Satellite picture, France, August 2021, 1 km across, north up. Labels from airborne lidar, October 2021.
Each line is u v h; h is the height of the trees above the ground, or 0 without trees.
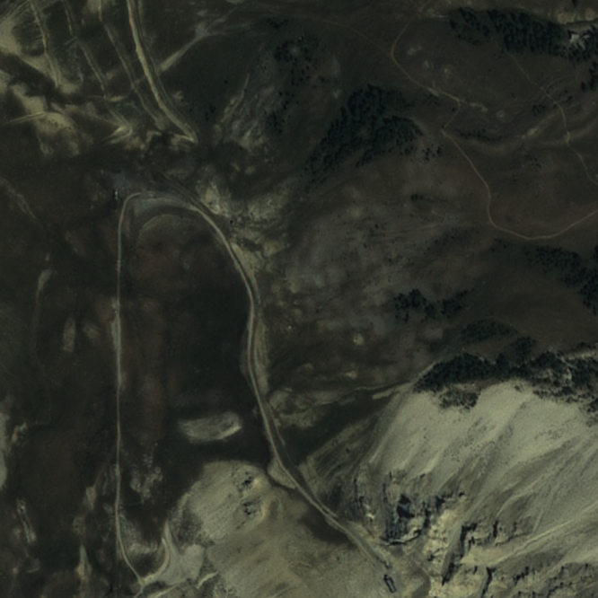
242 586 0
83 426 0
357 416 0
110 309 0
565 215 0
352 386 0
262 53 0
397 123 19
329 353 0
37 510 0
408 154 7
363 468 0
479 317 0
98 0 0
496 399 0
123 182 0
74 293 0
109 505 0
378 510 0
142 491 0
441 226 0
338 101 0
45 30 0
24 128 0
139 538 0
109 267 0
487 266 0
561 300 0
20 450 0
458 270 0
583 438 0
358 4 0
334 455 0
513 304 0
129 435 0
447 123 0
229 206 0
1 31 0
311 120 0
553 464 0
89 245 0
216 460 0
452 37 0
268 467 0
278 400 0
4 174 0
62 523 0
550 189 0
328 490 0
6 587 0
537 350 0
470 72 0
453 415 0
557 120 0
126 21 0
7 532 0
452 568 0
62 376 0
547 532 0
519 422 0
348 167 0
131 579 0
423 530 0
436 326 0
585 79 0
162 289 0
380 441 0
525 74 0
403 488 0
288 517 0
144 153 0
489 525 0
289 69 0
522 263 0
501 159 0
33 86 0
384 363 0
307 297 0
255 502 0
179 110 0
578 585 0
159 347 0
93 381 0
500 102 0
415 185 0
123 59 0
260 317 0
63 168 0
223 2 0
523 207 0
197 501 0
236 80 0
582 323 0
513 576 0
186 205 0
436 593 0
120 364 0
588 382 13
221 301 0
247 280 0
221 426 0
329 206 0
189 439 0
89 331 0
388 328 0
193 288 0
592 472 0
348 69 0
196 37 0
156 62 0
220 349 0
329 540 0
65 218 0
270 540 0
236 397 0
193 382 0
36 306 0
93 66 0
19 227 0
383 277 0
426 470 0
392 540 0
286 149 0
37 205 0
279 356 0
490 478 0
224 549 0
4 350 0
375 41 0
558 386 11
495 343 0
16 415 0
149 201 0
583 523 0
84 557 0
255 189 0
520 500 0
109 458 0
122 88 0
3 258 0
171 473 0
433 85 0
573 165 0
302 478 0
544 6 0
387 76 0
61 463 0
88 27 0
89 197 0
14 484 0
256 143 0
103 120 0
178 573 0
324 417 0
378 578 0
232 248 0
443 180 0
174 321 0
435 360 0
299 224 0
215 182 0
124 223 0
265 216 0
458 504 0
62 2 0
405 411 0
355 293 0
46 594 0
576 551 0
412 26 0
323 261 0
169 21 0
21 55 0
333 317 0
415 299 13
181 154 0
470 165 0
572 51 7
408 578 0
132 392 0
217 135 0
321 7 0
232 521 0
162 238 0
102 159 0
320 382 0
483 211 0
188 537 0
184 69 0
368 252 0
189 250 0
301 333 0
